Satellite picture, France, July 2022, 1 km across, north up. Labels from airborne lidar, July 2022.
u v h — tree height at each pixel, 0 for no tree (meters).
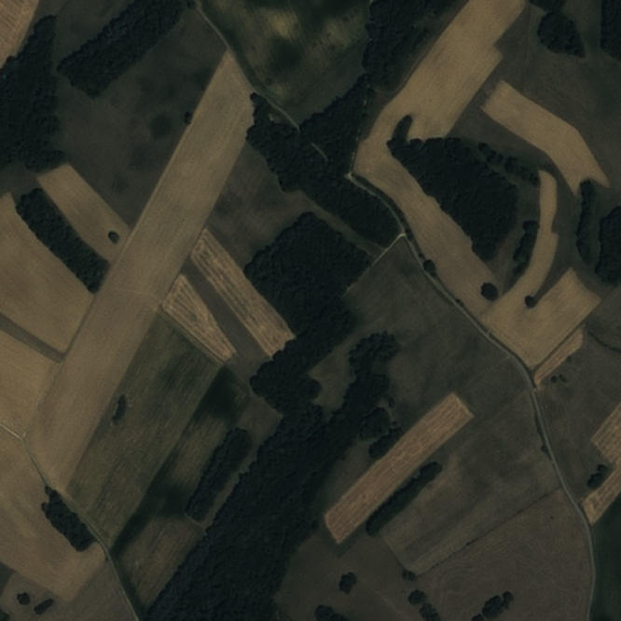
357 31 0
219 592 25
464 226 15
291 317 13
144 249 0
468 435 0
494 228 21
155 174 0
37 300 0
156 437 0
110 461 0
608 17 19
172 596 16
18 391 0
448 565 0
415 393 0
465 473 0
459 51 0
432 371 0
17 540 0
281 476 13
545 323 0
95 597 0
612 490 0
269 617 11
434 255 0
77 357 0
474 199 21
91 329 0
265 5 0
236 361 0
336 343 18
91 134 0
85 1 0
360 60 0
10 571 0
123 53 17
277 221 0
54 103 18
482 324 0
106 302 0
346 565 0
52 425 0
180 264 0
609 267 22
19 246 0
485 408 0
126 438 0
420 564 0
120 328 0
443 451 0
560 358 0
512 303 0
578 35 15
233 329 0
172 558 0
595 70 0
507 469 0
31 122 22
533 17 0
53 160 15
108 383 0
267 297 7
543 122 0
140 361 0
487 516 0
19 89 24
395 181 0
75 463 0
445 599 0
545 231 0
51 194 0
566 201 0
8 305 0
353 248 22
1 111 22
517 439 0
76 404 0
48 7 0
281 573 28
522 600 0
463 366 0
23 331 0
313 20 0
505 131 0
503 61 0
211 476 9
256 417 0
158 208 0
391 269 0
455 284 0
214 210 0
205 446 0
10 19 0
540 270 0
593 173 0
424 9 21
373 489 0
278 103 0
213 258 0
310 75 0
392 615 0
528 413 0
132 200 0
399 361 0
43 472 0
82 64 23
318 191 19
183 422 0
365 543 0
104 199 0
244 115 0
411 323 0
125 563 0
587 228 16
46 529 0
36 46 18
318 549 0
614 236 20
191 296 0
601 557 0
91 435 0
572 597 0
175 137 0
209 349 0
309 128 19
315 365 14
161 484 0
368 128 0
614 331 0
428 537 0
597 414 0
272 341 0
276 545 22
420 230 0
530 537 0
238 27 0
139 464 0
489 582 0
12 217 0
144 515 0
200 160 0
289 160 22
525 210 0
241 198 0
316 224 20
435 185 19
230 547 20
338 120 22
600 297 0
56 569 0
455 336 0
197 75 0
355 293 0
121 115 0
